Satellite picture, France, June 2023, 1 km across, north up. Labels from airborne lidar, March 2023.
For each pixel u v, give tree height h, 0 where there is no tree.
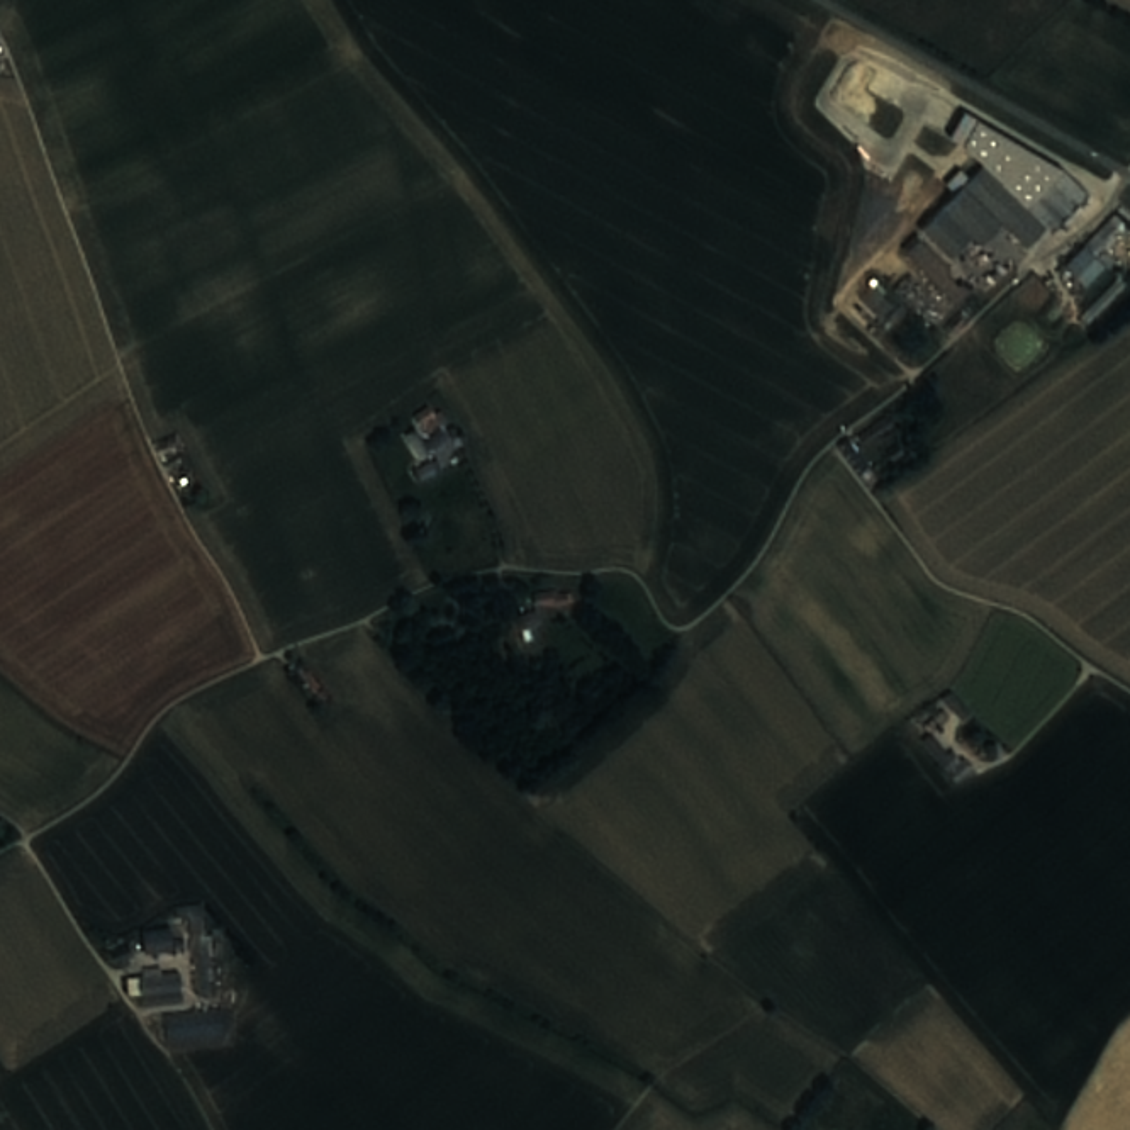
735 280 0
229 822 0
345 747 0
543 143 0
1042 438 0
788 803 0
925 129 0
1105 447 0
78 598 0
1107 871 0
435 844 0
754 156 0
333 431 0
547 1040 0
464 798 0
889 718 0
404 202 0
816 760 0
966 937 0
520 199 0
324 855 0
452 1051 0
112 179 0
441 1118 0
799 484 0
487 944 0
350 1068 0
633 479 0
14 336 0
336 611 0
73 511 0
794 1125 12
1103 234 0
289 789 0
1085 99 0
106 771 0
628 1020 0
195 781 0
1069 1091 0
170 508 0
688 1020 0
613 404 0
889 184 0
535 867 0
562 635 0
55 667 0
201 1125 0
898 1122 0
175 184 0
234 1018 0
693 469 0
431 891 0
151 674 0
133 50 0
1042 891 0
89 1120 0
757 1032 0
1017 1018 0
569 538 0
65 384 0
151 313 0
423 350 0
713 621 0
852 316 0
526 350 0
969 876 0
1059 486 0
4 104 0
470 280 0
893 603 0
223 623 0
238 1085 0
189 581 0
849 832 0
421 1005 0
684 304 0
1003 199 0
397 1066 0
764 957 0
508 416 0
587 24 0
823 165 0
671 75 0
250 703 0
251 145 0
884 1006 0
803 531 0
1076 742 0
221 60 0
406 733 0
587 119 0
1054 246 0
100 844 0
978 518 0
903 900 0
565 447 0
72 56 0
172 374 0
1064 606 0
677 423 0
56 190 0
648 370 0
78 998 0
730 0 0
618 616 0
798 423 0
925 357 0
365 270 0
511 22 0
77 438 0
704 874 0
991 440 0
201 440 0
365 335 0
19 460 0
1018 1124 0
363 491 0
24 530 0
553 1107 0
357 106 0
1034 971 0
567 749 11
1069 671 0
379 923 11
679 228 0
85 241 0
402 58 0
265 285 0
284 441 0
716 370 0
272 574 0
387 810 0
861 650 0
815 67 0
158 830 0
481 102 0
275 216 0
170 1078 0
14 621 0
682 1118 0
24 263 0
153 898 0
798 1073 0
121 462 0
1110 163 0
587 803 0
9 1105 0
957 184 0
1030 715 0
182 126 0
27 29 0
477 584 10
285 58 0
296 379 0
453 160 0
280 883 0
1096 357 0
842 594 0
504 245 0
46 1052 0
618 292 0
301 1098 0
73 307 0
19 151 0
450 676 13
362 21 0
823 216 0
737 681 0
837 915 0
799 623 0
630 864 0
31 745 0
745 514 0
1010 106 0
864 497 0
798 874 0
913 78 0
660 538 0
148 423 0
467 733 20
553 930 0
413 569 0
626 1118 0
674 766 0
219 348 0
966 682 0
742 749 0
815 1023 0
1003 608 0
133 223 0
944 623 0
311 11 0
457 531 0
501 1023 0
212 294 0
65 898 0
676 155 0
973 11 0
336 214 0
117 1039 0
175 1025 0
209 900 0
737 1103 0
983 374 0
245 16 0
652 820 0
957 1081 0
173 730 0
